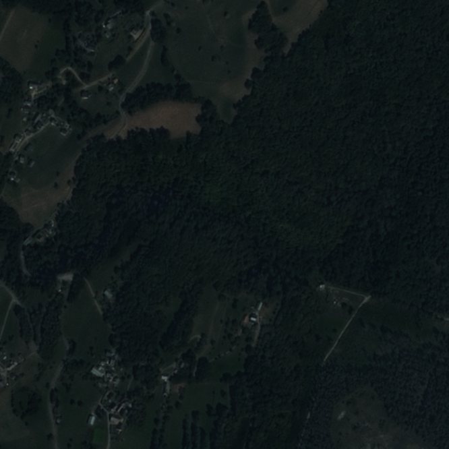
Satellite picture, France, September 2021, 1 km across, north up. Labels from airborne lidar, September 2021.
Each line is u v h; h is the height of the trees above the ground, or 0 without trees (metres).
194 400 0
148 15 0
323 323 0
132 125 0
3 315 0
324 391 20
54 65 13
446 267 12
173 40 0
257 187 13
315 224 21
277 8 0
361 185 35
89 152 18
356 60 29
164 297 20
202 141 17
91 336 0
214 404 0
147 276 27
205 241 15
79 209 14
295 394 25
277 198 19
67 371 16
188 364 17
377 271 21
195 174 31
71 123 12
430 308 17
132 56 0
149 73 0
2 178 15
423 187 17
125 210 18
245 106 19
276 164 23
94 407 0
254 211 22
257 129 22
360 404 0
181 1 0
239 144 22
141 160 13
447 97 25
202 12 0
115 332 14
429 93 28
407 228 16
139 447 0
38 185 0
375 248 30
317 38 6
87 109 0
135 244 17
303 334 22
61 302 16
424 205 14
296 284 16
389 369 16
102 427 0
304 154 29
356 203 19
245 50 0
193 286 20
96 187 24
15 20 0
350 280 27
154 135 25
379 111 28
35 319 16
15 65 0
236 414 22
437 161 16
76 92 0
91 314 0
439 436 17
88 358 0
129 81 0
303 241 12
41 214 0
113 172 19
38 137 0
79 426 0
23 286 21
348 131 28
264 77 14
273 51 16
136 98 17
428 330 0
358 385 20
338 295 0
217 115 12
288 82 25
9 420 0
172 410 14
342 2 20
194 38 0
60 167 0
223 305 0
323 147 31
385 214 25
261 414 26
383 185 24
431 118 32
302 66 24
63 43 0
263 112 26
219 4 0
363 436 0
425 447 0
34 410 8
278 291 30
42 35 0
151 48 0
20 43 0
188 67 0
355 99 26
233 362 0
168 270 25
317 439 15
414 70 26
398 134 25
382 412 0
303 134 30
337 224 25
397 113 34
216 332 0
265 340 18
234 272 20
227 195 22
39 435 0
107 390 7
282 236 25
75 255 26
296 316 22
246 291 21
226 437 23
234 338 7
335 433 0
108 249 20
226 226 31
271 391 26
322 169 25
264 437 32
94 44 6
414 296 14
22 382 0
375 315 0
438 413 16
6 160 17
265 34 13
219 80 0
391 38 22
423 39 27
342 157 24
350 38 24
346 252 27
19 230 9
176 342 29
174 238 22
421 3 24
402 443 0
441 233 23
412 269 16
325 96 23
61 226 19
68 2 11
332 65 26
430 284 14
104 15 11
